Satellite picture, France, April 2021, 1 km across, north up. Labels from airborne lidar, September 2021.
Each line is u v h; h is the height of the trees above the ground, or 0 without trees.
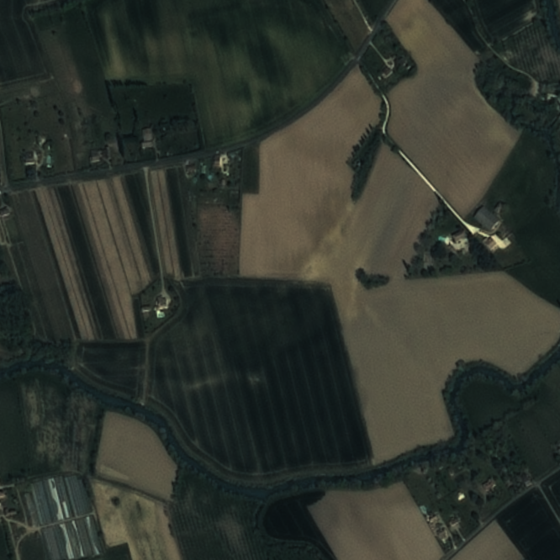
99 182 0
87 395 13
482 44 0
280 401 0
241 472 0
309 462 0
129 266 0
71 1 15
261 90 0
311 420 0
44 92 0
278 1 0
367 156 10
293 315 0
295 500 0
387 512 0
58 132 0
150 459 0
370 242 0
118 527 0
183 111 0
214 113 0
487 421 0
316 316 0
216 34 0
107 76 0
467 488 23
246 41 0
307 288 0
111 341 0
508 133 0
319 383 0
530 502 0
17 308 32
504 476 13
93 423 0
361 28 0
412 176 0
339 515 0
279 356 0
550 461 0
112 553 0
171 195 0
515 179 0
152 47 0
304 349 0
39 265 0
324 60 0
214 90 0
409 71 6
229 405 0
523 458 5
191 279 0
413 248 0
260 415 0
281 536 0
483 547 0
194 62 0
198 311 0
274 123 0
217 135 0
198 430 0
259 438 0
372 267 0
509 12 0
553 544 0
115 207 0
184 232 0
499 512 0
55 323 0
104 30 0
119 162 8
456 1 0
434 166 0
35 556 0
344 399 0
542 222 0
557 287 0
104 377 0
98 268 0
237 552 21
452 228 0
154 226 0
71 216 0
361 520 0
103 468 0
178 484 10
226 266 10
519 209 0
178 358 0
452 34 0
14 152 0
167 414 0
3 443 0
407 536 0
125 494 0
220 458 0
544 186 0
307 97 0
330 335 0
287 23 0
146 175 0
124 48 0
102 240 0
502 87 0
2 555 0
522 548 0
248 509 19
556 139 12
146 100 0
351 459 0
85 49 0
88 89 0
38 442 0
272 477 0
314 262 0
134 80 0
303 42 0
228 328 0
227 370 0
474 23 11
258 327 0
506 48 15
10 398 0
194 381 0
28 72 0
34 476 0
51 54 0
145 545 0
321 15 0
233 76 0
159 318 0
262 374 0
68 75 0
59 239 0
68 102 0
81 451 22
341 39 0
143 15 0
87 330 0
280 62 0
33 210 0
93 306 0
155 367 0
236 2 0
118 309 0
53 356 8
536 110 9
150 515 0
